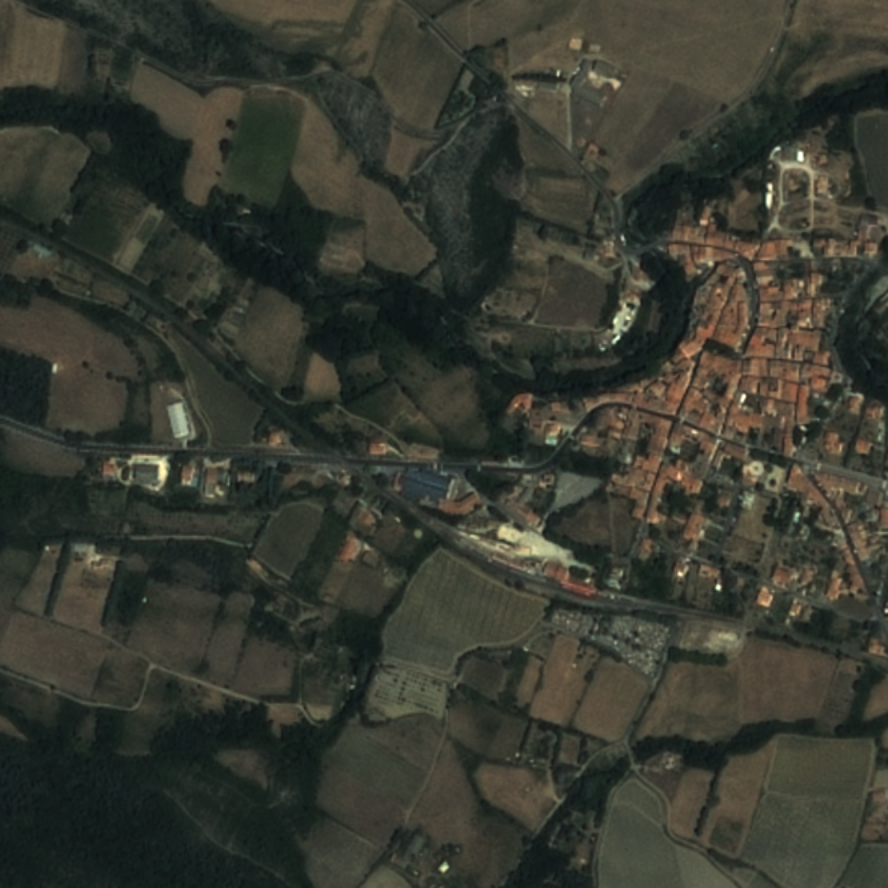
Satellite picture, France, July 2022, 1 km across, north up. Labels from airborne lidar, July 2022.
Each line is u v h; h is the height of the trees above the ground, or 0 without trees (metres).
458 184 0
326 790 0
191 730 10
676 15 0
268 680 0
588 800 6
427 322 17
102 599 0
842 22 0
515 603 0
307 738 10
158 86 0
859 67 0
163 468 0
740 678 0
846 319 14
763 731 12
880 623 15
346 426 6
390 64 0
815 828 0
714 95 0
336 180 0
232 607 0
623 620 0
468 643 0
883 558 8
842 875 0
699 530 0
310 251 6
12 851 7
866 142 0
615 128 0
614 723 0
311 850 0
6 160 0
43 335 0
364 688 12
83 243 0
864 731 7
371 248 0
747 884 0
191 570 0
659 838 0
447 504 0
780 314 0
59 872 6
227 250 16
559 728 16
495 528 0
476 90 6
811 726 8
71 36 0
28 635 0
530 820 0
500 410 13
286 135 0
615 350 7
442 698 0
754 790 0
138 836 10
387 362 10
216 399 0
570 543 15
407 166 0
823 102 14
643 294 8
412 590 0
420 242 0
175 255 0
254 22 0
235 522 0
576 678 0
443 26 0
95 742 9
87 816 8
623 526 0
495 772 0
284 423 9
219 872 10
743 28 0
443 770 0
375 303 11
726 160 9
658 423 0
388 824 0
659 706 0
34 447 0
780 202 0
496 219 7
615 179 0
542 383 19
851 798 0
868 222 0
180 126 0
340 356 11
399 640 0
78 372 0
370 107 0
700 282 7
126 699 0
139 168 10
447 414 0
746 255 0
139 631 0
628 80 0
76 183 10
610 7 0
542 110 0
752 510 0
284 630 8
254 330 0
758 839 0
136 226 0
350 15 0
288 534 0
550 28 0
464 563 0
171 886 6
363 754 0
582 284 0
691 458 6
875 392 10
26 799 8
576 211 0
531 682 0
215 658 0
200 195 0
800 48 0
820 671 0
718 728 0
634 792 0
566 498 0
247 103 0
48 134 0
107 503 0
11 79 0
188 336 7
